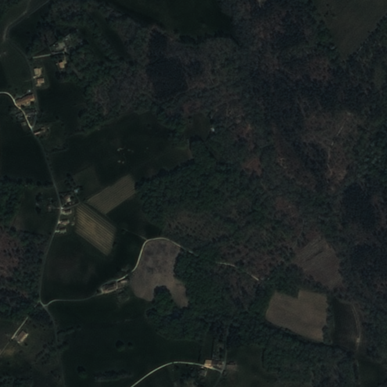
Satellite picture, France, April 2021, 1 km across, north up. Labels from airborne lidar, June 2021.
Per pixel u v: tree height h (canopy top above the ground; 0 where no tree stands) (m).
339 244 18
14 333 0
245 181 20
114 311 0
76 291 0
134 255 0
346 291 15
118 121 0
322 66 7
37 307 15
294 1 23
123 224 0
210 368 0
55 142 0
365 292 12
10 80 0
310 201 22
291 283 16
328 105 24
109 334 0
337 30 0
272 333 16
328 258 0
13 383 9
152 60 9
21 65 0
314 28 12
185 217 6
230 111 0
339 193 18
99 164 0
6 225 12
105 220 0
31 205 0
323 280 0
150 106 14
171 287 0
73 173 0
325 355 16
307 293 0
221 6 18
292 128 6
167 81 8
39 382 0
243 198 11
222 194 20
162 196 9
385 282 6
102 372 0
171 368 0
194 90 11
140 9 0
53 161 0
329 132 7
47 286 0
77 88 0
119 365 0
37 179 0
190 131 0
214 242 6
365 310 14
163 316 16
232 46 16
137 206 0
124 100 9
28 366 0
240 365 0
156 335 0
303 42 21
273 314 0
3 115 0
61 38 20
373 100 28
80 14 15
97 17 0
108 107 11
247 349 0
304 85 23
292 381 14
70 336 0
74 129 0
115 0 0
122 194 0
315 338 0
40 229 0
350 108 19
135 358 0
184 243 11
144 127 0
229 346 15
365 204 15
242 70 15
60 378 9
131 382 0
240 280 11
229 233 8
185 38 0
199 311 16
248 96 25
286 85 22
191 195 18
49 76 0
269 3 9
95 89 7
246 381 0
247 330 10
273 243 14
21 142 0
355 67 22
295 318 0
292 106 22
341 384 15
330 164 9
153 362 0
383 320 22
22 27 0
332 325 19
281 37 18
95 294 0
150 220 12
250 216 13
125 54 0
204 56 11
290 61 16
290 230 18
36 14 0
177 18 0
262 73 16
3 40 0
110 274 0
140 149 0
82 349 0
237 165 12
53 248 0
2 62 0
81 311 0
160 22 0
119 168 0
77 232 0
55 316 0
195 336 13
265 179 18
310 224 18
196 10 0
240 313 13
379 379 0
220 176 24
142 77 10
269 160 23
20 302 8
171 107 8
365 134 23
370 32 0
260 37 12
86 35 0
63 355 0
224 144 19
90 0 19
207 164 24
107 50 19
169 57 10
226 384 0
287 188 22
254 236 6
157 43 11
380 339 20
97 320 0
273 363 13
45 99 0
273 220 11
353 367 21
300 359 19
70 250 0
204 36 0
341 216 19
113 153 0
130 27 10
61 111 0
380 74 20
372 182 20
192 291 17
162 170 0
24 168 0
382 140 18
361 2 0
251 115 22
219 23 0
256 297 16
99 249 0
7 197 22
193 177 19
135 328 0
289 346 20
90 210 0
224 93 14
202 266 13
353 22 0
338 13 0
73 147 0
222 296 17
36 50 13
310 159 17
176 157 0
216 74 23
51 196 0
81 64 17
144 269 0
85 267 0
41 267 13
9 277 7
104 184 0
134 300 0
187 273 20
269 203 19
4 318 14
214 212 13
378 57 15
